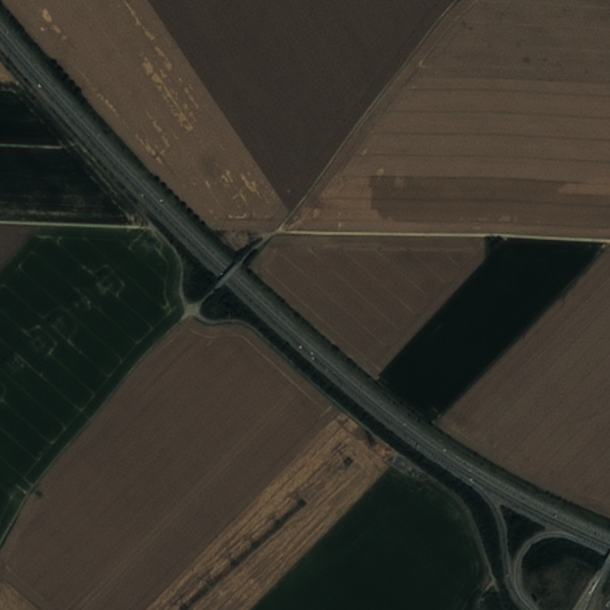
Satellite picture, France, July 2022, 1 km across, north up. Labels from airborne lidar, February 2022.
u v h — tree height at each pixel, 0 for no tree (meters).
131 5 0
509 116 0
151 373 0
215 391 0
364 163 0
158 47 0
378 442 0
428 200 0
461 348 0
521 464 0
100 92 0
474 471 0
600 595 0
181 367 0
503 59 0
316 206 0
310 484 0
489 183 0
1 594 0
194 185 0
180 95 0
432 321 0
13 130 0
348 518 0
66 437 0
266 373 0
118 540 0
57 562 0
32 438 0
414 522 0
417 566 0
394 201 0
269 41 0
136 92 0
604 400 0
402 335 0
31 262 0
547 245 0
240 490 0
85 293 0
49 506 0
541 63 0
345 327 0
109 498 0
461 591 0
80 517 0
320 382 7
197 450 0
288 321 0
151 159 0
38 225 0
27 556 0
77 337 0
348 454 0
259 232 0
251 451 0
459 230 0
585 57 0
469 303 0
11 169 0
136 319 0
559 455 0
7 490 0
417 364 0
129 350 0
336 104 0
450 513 0
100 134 0
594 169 0
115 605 0
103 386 0
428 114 0
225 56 0
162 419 0
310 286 0
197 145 0
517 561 0
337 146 0
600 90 0
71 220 0
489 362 0
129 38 0
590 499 0
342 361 0
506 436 0
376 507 0
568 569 0
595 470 0
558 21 0
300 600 0
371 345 0
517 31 0
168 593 0
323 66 0
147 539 0
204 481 0
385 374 0
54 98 0
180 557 0
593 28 0
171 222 0
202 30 0
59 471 0
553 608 0
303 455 0
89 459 0
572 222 0
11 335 0
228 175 0
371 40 0
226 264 0
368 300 0
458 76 0
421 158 0
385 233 0
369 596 0
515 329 0
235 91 0
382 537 0
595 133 0
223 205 0
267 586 0
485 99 0
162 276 0
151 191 0
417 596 0
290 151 0
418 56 0
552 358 0
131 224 0
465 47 0
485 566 0
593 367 0
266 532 0
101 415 0
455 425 0
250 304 0
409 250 0
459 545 0
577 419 0
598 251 0
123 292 0
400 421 0
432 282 0
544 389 0
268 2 0
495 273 0
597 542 0
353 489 0
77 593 0
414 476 0
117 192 0
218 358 0
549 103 0
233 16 0
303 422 0
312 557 0
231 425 0
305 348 0
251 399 0
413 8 0
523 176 0
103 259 0
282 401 0
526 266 0
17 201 0
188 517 0
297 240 0
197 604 0
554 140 0
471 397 0
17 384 0
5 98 0
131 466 0
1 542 0
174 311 0
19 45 0
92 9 0
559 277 0
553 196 0
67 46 0
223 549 0
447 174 0
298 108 0
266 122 0
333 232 0
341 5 0
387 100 0
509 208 0
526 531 7
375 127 0
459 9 0
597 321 0
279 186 0
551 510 0
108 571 0
